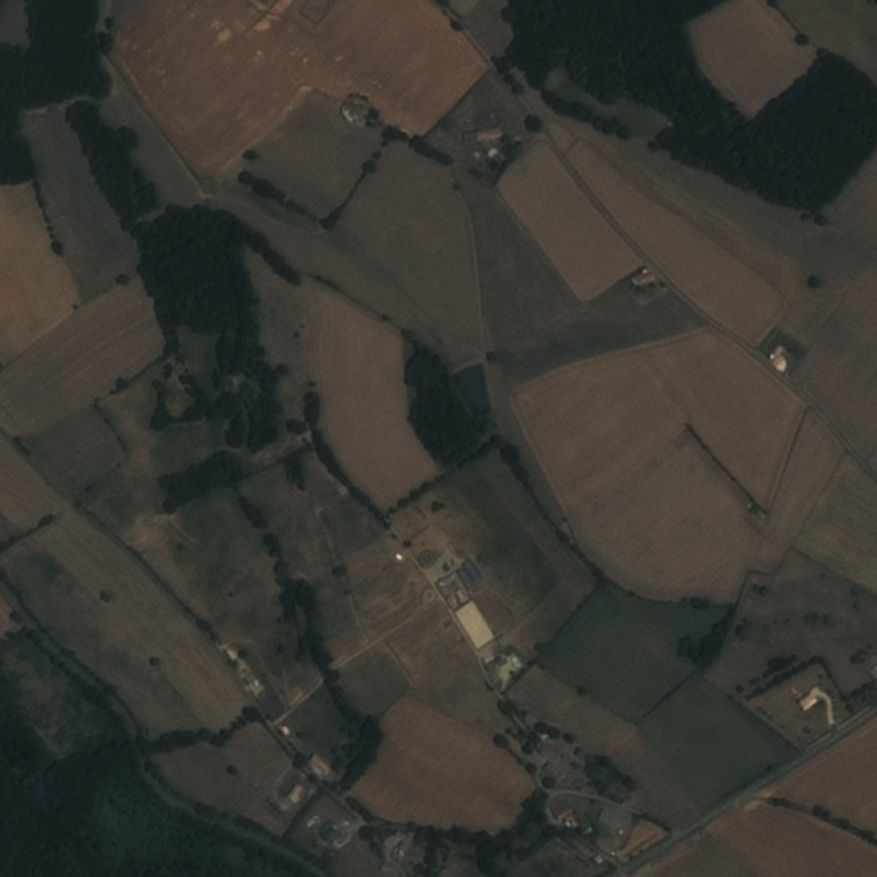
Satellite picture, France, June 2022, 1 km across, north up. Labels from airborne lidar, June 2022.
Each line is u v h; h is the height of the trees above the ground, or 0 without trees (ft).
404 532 0
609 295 0
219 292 91
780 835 0
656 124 0
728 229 0
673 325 0
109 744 18
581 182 0
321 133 0
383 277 0
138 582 0
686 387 0
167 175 0
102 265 0
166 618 0
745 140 49
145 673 0
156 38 0
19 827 53
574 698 0
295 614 36
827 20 0
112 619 0
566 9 64
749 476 0
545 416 0
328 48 0
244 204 0
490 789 0
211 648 0
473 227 0
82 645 0
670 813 0
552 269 0
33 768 38
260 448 34
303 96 0
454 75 0
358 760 61
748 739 0
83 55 67
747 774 0
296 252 0
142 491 0
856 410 0
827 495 0
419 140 46
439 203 0
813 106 62
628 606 0
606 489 0
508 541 0
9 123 41
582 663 0
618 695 0
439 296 0
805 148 59
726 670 0
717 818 0
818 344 0
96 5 76
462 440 22
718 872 0
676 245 0
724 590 0
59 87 56
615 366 0
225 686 0
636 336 0
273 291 0
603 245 0
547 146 0
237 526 0
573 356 0
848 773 0
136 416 0
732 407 0
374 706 0
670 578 0
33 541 0
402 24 0
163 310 46
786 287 0
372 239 0
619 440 0
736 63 0
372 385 0
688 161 49
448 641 0
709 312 0
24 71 38
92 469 0
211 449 0
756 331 0
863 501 0
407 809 0
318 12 0
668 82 66
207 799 0
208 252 53
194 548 0
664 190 0
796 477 0
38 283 0
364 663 0
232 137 0
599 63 60
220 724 0
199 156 0
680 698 0
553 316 0
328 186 0
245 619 0
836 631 0
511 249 0
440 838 36
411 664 0
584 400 0
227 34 0
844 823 27
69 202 0
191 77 0
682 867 0
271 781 0
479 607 0
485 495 0
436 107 0
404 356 0
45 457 0
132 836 0
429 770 0
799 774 0
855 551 0
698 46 0
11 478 0
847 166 62
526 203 0
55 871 28
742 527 0
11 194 0
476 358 0
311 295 0
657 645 0
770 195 49
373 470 0
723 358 0
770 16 0
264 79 0
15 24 0
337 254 0
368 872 0
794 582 0
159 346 0
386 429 0
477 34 0
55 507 0
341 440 0
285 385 0
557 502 0
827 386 0
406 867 0
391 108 0
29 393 0
